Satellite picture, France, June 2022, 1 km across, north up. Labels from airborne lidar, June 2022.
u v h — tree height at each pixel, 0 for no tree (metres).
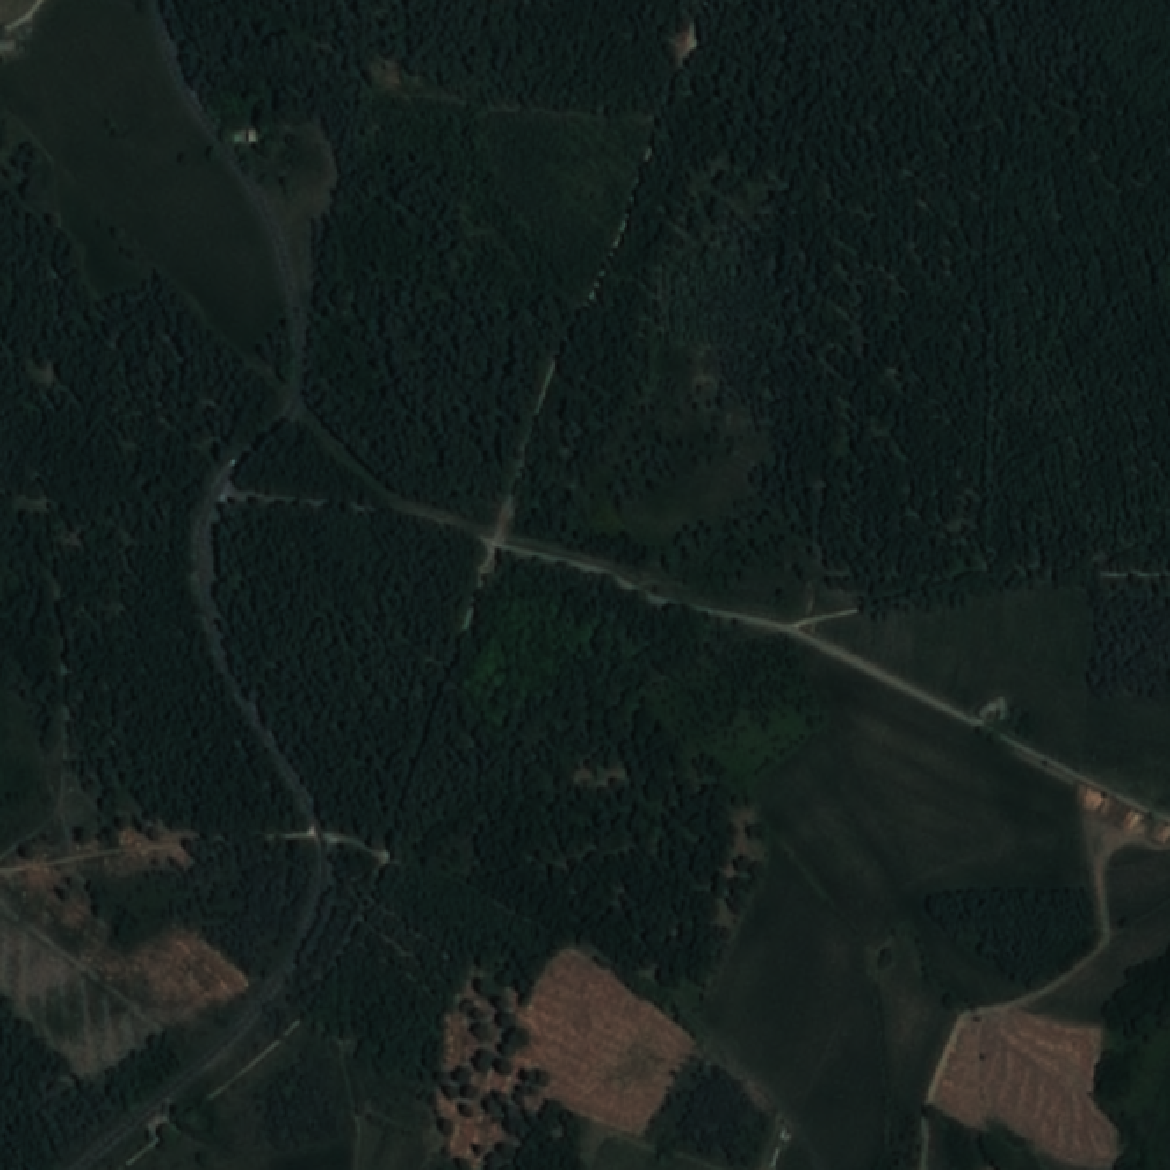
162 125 0
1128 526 15
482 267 9
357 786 24
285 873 13
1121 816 0
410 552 22
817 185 17
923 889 0
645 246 7
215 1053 0
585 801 22
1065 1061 0
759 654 9
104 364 25
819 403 21
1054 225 19
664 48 11
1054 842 0
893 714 0
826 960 0
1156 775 0
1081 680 0
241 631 17
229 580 20
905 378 15
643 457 13
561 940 16
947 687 0
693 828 18
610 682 12
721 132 8
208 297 0
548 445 13
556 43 18
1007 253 16
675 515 0
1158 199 18
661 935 21
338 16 24
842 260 15
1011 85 25
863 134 14
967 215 17
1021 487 18
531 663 15
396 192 17
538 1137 15
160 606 16
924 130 17
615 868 17
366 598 19
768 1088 0
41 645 16
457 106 9
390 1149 0
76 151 0
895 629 0
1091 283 21
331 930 11
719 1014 0
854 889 0
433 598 23
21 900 0
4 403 16
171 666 15
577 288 6
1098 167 11
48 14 0
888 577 13
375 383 9
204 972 0
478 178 8
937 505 16
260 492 23
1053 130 17
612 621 15
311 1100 9
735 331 9
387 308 20
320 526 18
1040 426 16
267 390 21
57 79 0
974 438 10
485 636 14
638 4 16
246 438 20
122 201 0
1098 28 20
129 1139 0
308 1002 11
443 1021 18
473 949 16
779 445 9
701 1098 11
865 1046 0
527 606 13
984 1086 0
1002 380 19
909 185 16
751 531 9
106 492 24
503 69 23
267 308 0
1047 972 18
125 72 0
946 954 0
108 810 17
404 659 18
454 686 20
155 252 0
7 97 0
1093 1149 0
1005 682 0
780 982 0
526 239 7
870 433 15
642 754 19
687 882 17
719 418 10
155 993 0
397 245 12
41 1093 19
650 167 17
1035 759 0
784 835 0
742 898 15
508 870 8
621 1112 0
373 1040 12
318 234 8
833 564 15
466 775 25
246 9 9
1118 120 16
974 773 0
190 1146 0
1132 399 13
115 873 0
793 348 18
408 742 22
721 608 0
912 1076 0
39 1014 0
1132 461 14
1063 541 11
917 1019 0
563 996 0
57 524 16
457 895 17
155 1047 15
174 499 19
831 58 24
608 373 22
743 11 13
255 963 9
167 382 7
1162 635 15
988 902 18
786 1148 0
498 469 24
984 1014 0
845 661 0
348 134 22
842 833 0
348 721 25
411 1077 12
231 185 0
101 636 15
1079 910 17
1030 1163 0
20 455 20
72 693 11
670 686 7
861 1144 0
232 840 17
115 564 17
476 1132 0
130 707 20
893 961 8
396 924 17
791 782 0
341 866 17
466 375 27
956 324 16
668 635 16
